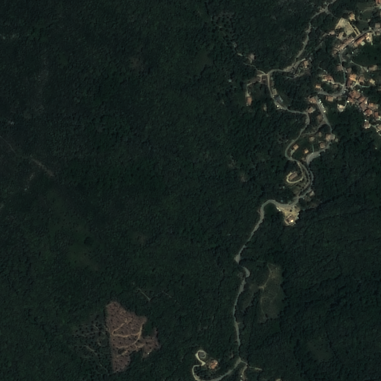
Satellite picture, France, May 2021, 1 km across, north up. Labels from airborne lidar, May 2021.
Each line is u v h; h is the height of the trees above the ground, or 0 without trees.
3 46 6
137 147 22
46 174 6
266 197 14
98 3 8
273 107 12
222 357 9
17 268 14
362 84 9
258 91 0
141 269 11
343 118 11
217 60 16
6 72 6
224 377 7
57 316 13
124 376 12
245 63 16
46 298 11
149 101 9
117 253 6
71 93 8
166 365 9
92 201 6
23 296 16
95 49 9
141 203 6
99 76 9
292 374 16
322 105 0
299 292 14
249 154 15
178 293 6
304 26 9
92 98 18
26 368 12
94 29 10
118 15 10
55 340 15
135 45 14
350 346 18
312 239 16
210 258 17
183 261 21
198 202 12
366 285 20
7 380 11
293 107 10
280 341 16
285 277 23
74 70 11
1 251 11
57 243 7
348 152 17
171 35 14
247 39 9
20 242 11
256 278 16
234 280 13
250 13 9
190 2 16
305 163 12
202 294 12
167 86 20
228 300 7
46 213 7
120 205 6
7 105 9
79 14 10
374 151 17
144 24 11
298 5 9
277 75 11
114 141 17
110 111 14
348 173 12
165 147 12
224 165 18
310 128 11
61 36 6
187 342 17
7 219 6
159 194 16
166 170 20
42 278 11
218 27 13
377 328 18
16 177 5
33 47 9
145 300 7
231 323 15
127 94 7
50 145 8
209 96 17
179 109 14
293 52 6
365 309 19
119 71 7
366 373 15
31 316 23
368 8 0
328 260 15
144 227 5
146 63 13
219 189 15
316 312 10
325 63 15
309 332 13
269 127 13
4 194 10
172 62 16
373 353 13
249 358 13
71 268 7
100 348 12
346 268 20
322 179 21
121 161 15
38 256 12
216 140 10
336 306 21
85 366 16
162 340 14
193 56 13
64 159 8
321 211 16
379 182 10
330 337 15
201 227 16
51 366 13
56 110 6
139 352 8
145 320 0
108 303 11
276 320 12
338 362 9
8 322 12
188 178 18
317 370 8
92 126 22
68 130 11
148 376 8
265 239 21
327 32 12
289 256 17
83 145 10
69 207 6
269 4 11
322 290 17
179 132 12
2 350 17
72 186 7
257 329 14
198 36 14
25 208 6
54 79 6
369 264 16
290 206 0
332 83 7
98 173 19
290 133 13
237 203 12
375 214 18
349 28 0
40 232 7
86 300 7
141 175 21
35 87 7
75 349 10
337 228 19
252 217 15
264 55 12
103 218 6
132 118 14
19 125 8
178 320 15
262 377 16
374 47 0
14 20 12
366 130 10
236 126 10
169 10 16
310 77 11
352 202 17
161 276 9
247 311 19
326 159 16
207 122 19
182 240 20
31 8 9
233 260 16
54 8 7
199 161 7
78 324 12
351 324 13
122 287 7
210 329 8
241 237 17
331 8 12
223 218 9
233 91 17
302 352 24
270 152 14
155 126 10
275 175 10
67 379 11
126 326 0
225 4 12
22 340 15
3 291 19
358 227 17
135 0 13
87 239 14
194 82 12
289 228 17
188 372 12
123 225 7
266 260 15
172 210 14
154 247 13
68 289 13
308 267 10
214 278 11
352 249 19
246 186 14
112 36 12
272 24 10
